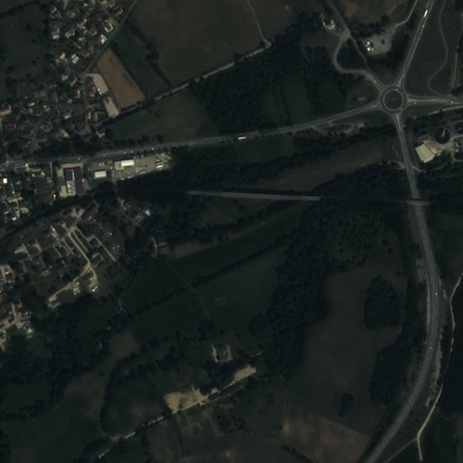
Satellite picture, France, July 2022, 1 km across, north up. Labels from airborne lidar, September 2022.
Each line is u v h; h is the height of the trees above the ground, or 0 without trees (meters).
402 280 0
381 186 28
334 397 0
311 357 0
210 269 0
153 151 10
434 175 13
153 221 18
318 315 18
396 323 15
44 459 0
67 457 0
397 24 0
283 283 19
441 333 0
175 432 0
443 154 7
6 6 0
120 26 0
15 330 0
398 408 9
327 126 0
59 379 17
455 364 16
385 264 0
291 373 16
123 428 0
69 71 0
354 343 0
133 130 0
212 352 0
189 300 0
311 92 10
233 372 22
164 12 0
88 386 0
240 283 0
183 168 19
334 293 0
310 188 0
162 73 11
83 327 0
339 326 0
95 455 0
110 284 0
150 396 0
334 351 0
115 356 0
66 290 0
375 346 0
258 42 0
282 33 0
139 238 16
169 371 12
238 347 0
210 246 0
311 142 13
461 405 15
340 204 27
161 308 0
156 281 0
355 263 9
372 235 8
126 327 28
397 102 0
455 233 0
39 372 20
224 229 14
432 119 13
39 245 0
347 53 15
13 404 0
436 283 0
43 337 6
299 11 0
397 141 0
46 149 15
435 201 18
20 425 0
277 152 0
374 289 10
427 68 0
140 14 0
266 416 0
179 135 0
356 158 0
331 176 0
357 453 0
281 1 0
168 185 19
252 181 23
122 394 0
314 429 0
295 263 22
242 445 0
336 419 0
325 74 16
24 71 0
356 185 29
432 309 0
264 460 0
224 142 12
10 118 0
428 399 0
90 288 0
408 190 8
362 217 9
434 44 0
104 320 0
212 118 14
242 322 0
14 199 0
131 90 0
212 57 0
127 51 0
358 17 0
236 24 0
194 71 0
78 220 0
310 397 0
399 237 7
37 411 30
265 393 0
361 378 0
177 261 0
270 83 9
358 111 0
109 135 19
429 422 0
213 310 0
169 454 0
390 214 14
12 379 15
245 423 8
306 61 18
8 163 0
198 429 0
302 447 0
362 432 0
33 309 11
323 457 0
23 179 10
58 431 0
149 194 22
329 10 21
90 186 0
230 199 0
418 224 0
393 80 0
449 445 0
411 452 0
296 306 20
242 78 15
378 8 0
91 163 0
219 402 0
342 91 20
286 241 17
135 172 0
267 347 30
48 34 13
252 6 0
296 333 17
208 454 0
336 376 0
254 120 13
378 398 17
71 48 5
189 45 0
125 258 17
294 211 0
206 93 12
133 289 0
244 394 14
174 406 0
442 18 0
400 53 12
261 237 0
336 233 7
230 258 0
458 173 10
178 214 14
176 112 0
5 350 9
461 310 16
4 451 21
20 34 0
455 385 19
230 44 0
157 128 0
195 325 0
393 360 20
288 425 0
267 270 0
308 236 36
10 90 15
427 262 0
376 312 15
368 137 19
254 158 0
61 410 0
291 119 12
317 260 31
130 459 0
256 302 0
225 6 0
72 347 17
